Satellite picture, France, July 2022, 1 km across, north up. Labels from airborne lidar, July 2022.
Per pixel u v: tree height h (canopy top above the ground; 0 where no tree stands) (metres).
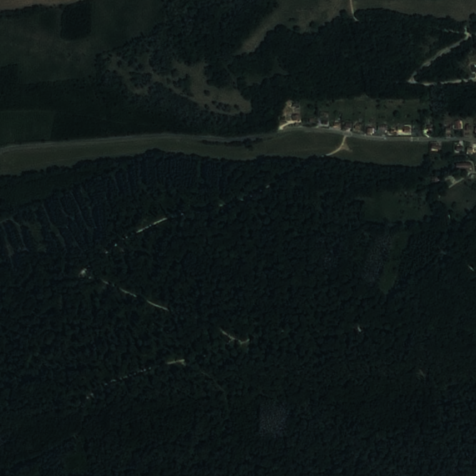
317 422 32
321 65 19
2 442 25
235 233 34
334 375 22
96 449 12
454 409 28
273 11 7
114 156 0
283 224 30
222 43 17
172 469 27
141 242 23
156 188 28
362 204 22
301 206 25
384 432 28
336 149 0
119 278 24
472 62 0
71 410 20
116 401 23
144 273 25
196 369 23
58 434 20
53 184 11
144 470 24
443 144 0
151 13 0
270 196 28
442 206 19
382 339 34
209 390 23
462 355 22
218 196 23
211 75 9
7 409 30
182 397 22
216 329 33
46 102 8
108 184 28
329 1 0
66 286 20
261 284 32
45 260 24
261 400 22
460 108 14
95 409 17
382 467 22
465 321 27
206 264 23
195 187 29
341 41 14
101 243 23
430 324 32
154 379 27
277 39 23
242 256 29
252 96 9
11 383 30
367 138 0
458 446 25
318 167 26
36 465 29
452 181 0
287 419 28
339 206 18
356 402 17
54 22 0
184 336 30
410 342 31
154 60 16
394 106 0
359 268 26
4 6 0
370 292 30
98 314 27
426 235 14
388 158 0
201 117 15
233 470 30
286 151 0
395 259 7
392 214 0
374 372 20
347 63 23
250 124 16
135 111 7
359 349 30
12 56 0
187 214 37
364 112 0
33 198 12
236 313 24
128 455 28
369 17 15
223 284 29
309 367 23
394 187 23
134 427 27
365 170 21
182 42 27
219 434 10
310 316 28
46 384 30
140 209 22
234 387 22
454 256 25
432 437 25
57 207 30
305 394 27
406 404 19
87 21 7
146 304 32
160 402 23
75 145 0
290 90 24
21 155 0
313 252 30
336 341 34
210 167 29
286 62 24
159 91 15
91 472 11
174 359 29
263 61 19
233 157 0
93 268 23
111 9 0
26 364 31
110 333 29
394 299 29
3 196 10
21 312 30
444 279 28
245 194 30
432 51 8
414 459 18
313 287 14
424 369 22
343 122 6
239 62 20
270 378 21
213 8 22
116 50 7
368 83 22
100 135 7
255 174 25
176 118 20
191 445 24
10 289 30
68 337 33
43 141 10
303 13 0
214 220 28
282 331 28
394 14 13
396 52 14
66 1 0
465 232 24
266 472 28
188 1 9
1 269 26
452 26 12
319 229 11
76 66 0
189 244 25
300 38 19
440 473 26
